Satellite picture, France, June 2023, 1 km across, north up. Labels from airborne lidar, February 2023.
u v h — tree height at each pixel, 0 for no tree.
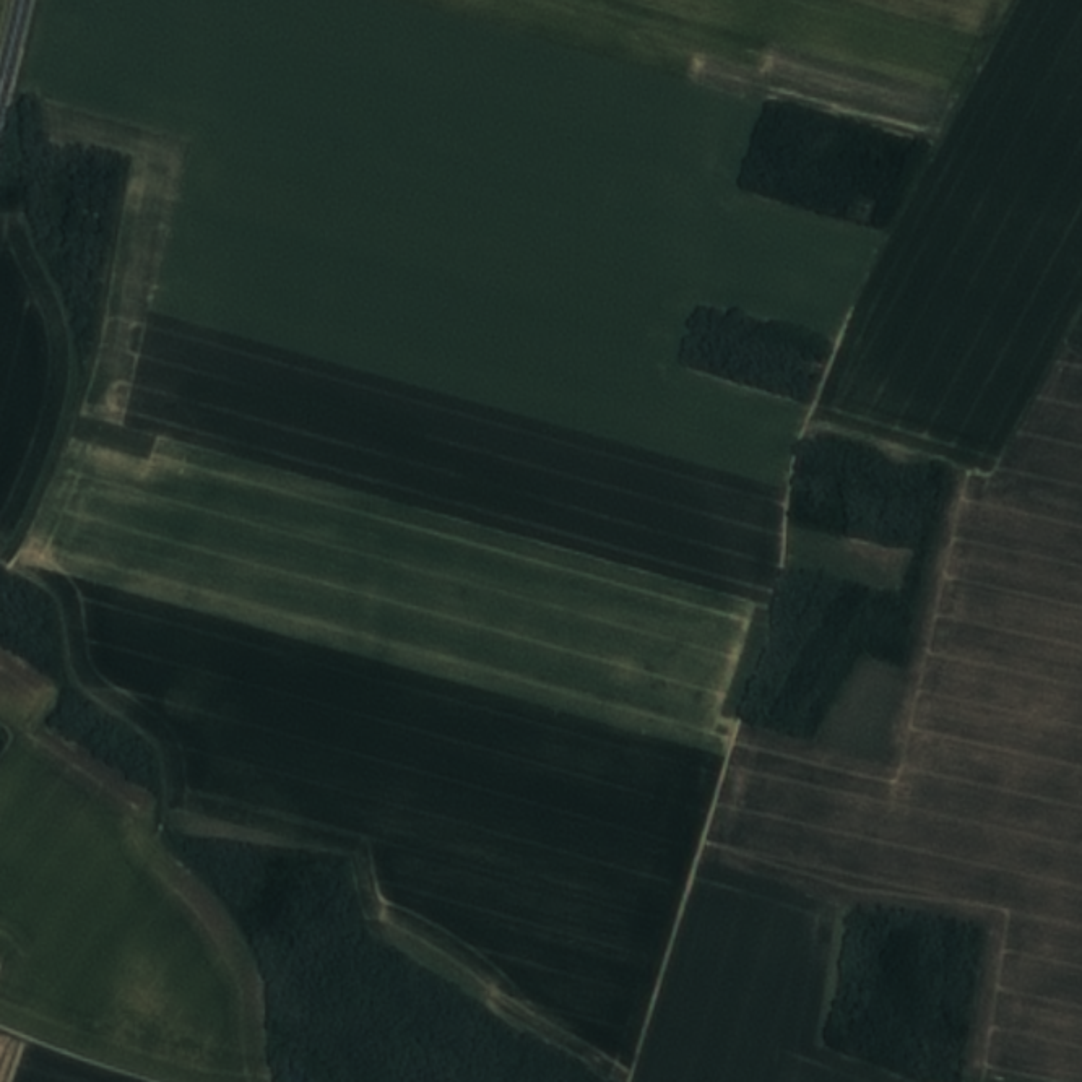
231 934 0
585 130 0
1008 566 0
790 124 12
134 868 0
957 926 12
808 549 0
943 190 0
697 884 0
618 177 0
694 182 0
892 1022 13
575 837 0
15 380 0
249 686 0
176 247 0
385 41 0
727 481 0
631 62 0
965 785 0
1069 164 0
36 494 0
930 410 0
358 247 0
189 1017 0
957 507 0
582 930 0
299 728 0
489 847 0
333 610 0
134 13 0
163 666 0
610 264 0
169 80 0
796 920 0
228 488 0
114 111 0
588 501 0
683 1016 0
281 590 0
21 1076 0
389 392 0
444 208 0
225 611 0
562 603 0
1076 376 0
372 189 0
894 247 0
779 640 15
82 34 0
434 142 0
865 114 0
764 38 0
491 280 0
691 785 0
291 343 0
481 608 0
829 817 0
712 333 16
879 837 0
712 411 0
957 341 0
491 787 0
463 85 0
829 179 17
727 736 0
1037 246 0
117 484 0
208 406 0
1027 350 0
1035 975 0
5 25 0
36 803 0
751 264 0
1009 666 0
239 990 0
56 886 0
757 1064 0
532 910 0
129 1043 0
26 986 0
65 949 0
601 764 0
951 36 0
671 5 0
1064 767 0
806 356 11
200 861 12
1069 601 0
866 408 0
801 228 0
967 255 0
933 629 0
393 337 0
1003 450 0
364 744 0
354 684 0
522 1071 13
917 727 0
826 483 16
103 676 0
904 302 0
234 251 0
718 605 0
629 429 0
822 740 0
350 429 0
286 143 0
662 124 0
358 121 0
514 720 0
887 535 14
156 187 0
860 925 14
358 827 0
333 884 8
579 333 0
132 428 0
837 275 0
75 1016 0
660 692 0
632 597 0
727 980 0
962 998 14
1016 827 0
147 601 0
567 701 0
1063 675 0
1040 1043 0
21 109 13
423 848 0
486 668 0
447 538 0
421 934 0
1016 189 0
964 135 0
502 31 0
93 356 0
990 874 0
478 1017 12
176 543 0
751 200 0
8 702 0
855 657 7
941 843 0
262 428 0
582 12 0
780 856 0
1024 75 0
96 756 13
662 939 0
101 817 0
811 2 0
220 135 0
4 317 0
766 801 0
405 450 0
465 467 0
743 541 0
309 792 0
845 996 11
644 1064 0
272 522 0
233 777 0
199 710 0
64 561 0
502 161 0
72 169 17
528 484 0
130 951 0
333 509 0
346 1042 13
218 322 0
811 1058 0
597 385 0
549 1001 0
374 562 0
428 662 0
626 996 0
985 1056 0
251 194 0
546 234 0
